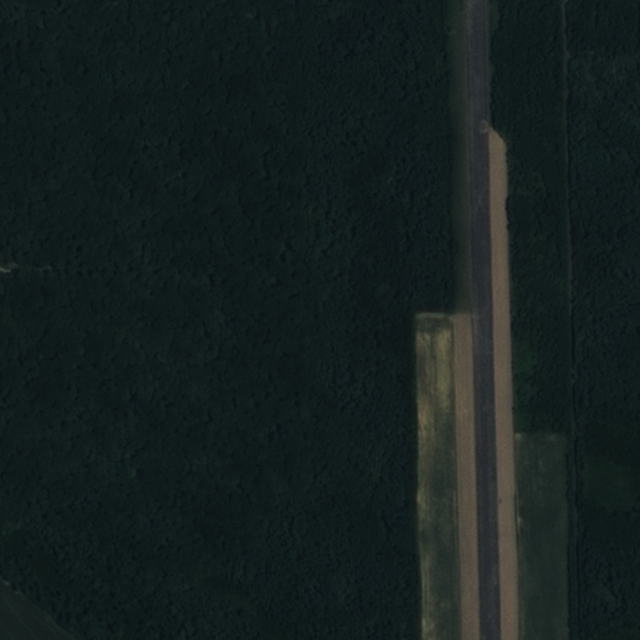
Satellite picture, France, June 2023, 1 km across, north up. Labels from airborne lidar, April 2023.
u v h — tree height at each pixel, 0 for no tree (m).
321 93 28
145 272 27
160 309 30
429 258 28
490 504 0
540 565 0
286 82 25
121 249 30
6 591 0
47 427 30
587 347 23
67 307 19
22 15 21
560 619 0
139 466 33
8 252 31
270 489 27
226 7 20
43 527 23
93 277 25
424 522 0
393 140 28
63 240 33
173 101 24
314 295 27
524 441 0
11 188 27
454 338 0
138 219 28
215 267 28
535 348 6
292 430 30
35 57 31
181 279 23
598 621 30
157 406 24
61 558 27
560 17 15
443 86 21
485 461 0
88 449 32
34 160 34
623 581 26
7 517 28
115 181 29
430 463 0
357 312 20
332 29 27
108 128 26
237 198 24
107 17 22
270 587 23
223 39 22
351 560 24
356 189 26
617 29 18
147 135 29
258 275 28
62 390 32
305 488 26
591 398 26
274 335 32
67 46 23
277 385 30
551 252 6
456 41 0
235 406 28
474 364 0
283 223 30
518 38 12
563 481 0
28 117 31
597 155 28
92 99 29
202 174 24
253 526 25
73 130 31
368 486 24
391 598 28
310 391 18
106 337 25
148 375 28
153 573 34
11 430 27
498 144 0
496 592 0
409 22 23
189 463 26
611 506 0
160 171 23
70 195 28
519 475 0
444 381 0
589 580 21
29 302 29
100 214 27
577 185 17
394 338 20
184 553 29
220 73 26
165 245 30
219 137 31
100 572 11
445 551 0
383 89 15
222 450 25
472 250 0
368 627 29
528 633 0
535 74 10
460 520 0
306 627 20
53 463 31
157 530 30
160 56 26
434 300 20
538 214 8
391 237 24
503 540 0
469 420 0
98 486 30
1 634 0
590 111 23
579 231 19
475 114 0
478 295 0
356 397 17
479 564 0
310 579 19
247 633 24
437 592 0
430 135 24
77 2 22
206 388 27
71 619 23
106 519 34
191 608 23
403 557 22
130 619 25
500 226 0
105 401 29
